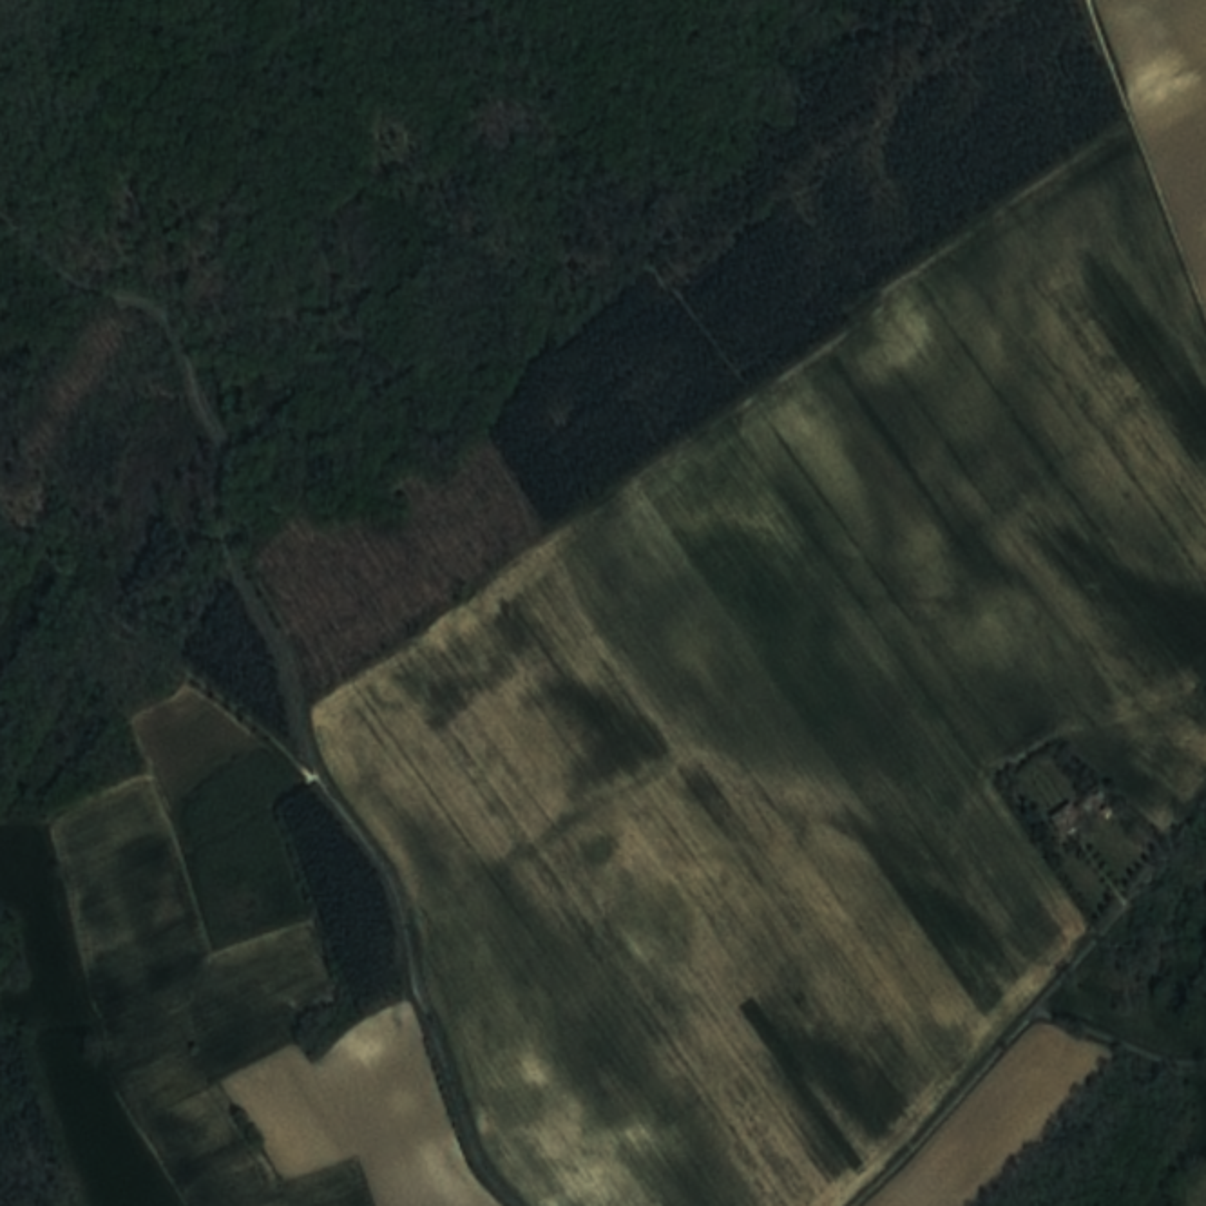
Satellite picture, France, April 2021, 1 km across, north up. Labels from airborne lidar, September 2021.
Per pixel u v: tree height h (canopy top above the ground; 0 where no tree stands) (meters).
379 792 0
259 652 11
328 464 19
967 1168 0
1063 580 0
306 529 22
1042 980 0
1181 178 0
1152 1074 8
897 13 16
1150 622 0
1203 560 0
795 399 0
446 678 0
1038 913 0
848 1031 0
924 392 0
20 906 0
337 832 12
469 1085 0
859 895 0
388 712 0
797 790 0
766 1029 0
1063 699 0
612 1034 0
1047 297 0
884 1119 0
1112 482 0
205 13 22
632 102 17
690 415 10
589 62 20
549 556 0
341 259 17
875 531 0
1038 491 0
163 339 13
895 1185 0
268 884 6
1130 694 0
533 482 17
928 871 0
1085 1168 21
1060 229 0
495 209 22
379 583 20
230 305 17
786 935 0
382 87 20
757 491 0
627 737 0
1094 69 13
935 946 0
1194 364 0
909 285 0
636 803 0
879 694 0
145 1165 0
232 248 20
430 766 0
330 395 19
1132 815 10
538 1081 0
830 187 8
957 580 0
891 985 0
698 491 0
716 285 14
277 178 22
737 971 0
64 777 13
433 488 21
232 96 22
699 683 0
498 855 0
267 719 13
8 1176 17
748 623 0
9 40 17
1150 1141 16
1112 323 0
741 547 0
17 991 18
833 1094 0
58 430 23
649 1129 0
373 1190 0
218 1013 0
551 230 17
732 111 18
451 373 21
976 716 0
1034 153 16
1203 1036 0
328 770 0
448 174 18
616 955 0
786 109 17
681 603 0
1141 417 0
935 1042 0
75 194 21
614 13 18
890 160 10
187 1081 0
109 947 0
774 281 15
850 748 0
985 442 0
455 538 22
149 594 20
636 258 10
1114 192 0
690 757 0
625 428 13
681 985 0
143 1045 0
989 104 10
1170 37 0
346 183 21
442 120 19
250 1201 0
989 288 0
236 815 10
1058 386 0
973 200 17
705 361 12
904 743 0
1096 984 0
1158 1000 17
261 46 21
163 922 0
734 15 19
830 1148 0
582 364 12
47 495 12
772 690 0
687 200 20
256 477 22
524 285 20
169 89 22
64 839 0
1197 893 12
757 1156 0
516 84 13
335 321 13
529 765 0
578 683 0
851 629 0
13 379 19
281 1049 0
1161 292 0
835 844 0
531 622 0
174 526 15
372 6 26
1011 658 0
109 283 13
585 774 0
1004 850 0
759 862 0
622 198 19
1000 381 0
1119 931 0
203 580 22
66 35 20
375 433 25
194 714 0
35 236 22
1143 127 0
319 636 13
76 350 24
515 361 17
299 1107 0
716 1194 0
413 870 0
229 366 20
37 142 21
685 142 17
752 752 0
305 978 0
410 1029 0
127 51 25
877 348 0
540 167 15
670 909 0
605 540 0
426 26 20
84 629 17
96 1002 0
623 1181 0
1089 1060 0
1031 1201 23
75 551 10
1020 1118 0
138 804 0
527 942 0
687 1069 0
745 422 0
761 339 10
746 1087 0
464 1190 0
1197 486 0
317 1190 0
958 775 0
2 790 20
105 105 23
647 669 0
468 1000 0
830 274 11
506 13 19
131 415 15
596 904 0
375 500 20
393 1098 0
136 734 9
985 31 7
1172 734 0
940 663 0
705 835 0
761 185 17
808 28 17
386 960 11
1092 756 0
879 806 0
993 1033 0
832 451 0
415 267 8
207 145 26
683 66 18
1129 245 0
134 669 13
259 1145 11
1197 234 0
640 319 10
